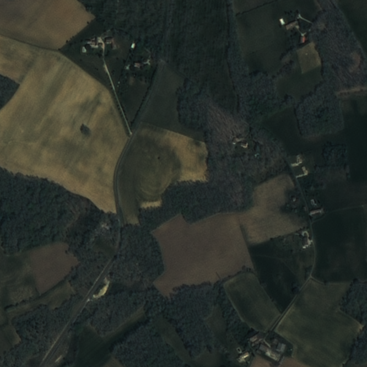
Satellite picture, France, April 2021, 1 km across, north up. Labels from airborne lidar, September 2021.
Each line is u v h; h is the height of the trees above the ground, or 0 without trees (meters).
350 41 22
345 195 0
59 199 20
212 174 24
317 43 21
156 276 10
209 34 0
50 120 0
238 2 0
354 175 0
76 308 0
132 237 19
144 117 0
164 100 0
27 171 0
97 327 24
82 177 0
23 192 21
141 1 12
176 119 0
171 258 0
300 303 0
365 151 0
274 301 9
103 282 0
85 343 0
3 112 0
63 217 25
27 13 0
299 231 7
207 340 22
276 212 0
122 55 0
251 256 0
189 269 0
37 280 0
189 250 0
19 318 9
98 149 0
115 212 0
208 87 11
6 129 0
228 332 9
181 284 0
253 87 23
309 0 0
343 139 0
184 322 19
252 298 0
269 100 19
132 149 0
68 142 0
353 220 0
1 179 19
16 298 0
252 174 20
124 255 11
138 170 0
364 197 0
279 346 0
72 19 0
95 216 23
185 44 14
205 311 23
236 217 0
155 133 0
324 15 21
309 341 0
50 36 0
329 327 0
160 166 0
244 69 23
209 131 17
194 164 0
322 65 13
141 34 13
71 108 0
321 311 0
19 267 0
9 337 0
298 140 0
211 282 0
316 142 0
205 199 21
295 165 0
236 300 0
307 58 0
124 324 15
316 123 21
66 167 0
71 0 0
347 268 0
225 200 20
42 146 0
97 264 14
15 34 0
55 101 0
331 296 0
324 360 0
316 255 0
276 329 0
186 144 0
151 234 16
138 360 23
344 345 0
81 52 0
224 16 10
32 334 7
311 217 6
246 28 0
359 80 19
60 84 0
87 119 0
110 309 15
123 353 8
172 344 0
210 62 6
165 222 14
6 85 19
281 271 0
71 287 12
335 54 21
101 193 0
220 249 0
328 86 15
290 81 0
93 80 0
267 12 0
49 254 0
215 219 0
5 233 19
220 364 0
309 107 22
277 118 0
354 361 14
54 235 10
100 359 0
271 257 0
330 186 0
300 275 0
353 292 17
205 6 7
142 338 27
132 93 0
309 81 0
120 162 0
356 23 0
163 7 9
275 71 0
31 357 18
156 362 24
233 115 12
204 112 24
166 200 11
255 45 0
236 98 7
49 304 0
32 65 0
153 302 10
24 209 19
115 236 16
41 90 0
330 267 0
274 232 0
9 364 14
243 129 20
